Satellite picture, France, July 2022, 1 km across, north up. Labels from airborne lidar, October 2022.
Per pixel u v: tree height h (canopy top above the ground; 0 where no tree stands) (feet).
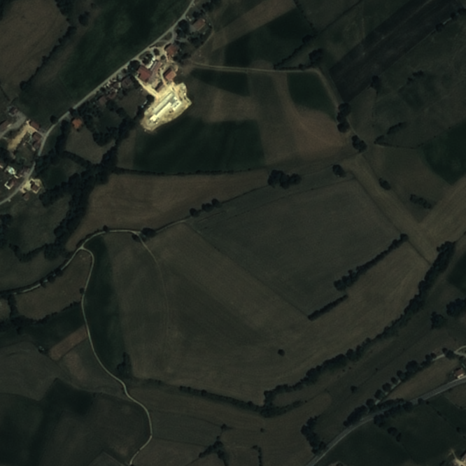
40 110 0
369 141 0
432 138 0
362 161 0
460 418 0
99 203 0
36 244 0
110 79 0
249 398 0
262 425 0
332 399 0
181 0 0
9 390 0
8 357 0
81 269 0
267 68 0
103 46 0
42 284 58
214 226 0
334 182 0
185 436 0
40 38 0
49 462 0
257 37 0
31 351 0
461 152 0
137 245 0
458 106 0
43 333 0
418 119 0
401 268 0
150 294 0
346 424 39
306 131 0
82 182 30
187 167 0
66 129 72
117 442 0
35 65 0
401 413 67
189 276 0
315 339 0
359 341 0
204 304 0
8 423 0
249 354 0
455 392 0
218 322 0
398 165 0
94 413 0
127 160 0
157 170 0
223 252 0
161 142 0
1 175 0
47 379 0
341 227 0
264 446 0
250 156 0
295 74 0
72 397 0
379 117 0
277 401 0
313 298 0
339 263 0
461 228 0
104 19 0
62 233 67
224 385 0
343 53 0
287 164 0
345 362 73
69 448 0
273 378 0
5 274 0
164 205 0
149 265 0
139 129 0
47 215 0
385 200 0
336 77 0
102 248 0
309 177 0
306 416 0
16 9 0
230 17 0
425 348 0
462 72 0
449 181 0
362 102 0
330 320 0
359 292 0
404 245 0
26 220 0
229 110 0
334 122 0
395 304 0
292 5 0
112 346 0
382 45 0
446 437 0
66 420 0
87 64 0
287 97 0
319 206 0
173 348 0
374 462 0
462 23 0
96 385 0
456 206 0
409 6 0
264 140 0
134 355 0
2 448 0
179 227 0
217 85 0
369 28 0
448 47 0
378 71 0
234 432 0
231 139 0
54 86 0
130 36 0
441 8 0
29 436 0
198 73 0
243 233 0
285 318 0
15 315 61
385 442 0
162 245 0
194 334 0
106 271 0
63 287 0
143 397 0
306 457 0
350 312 0
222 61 0
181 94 0
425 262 0
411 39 0
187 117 0
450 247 60
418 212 0
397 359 0
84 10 0
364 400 0
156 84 0
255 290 0
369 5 0
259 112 0
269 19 0
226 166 0
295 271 0
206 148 0
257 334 0
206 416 0
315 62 41
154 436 0
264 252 0
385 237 0
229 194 0
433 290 0
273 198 0
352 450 0
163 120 0
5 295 40
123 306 0
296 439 0
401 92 0
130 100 0
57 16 0
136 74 52
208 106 0
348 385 0
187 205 0
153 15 0
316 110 0
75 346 0
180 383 0
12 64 0
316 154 0
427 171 0
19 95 0
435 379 0
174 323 0
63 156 68
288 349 0
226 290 0
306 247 0
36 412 0
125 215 0
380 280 0
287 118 0
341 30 0
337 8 0
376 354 0
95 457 0
